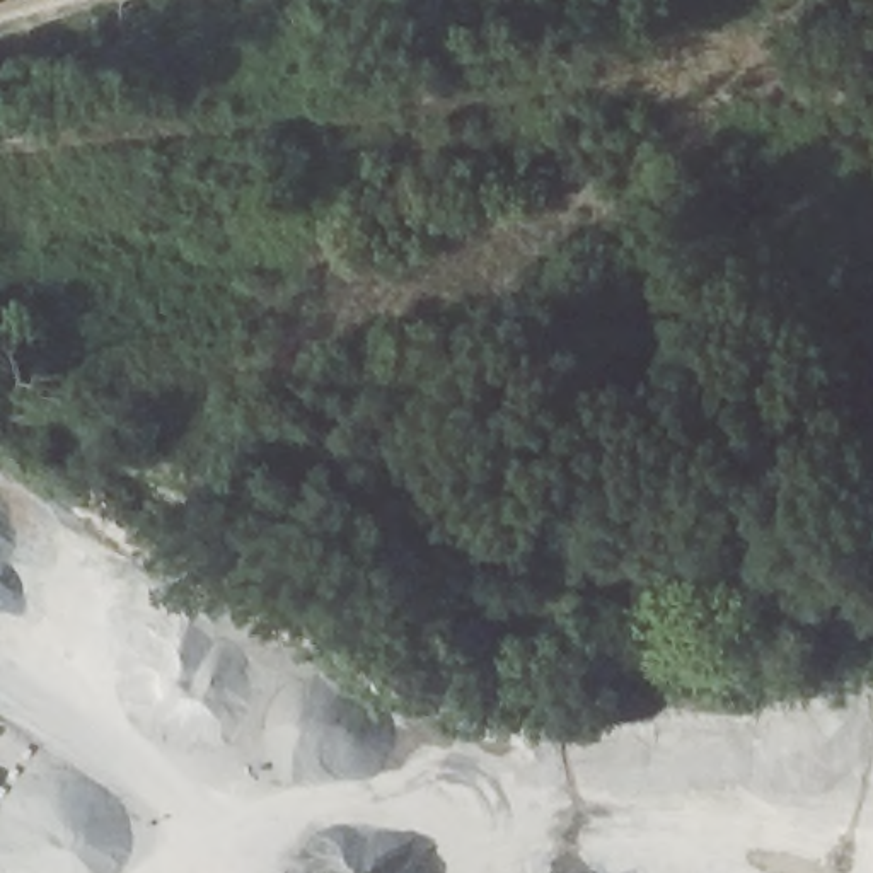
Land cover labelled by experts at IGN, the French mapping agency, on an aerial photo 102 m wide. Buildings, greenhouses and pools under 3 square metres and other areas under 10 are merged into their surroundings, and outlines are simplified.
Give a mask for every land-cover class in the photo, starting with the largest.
<instances>
[{"label":"deciduous trees","instance_id":"1","mask_svg":"<svg viewBox=\"0 0 873 873\"><path fill-rule=\"evenodd\" d=\"M764 72L778 82V89H784V95H795L798 102L815 109L835 106V123L853 136H866L873 147V0H829L822 14H808L801 24L764 27ZM413 392L396 423L389 426L382 447L385 464L379 467V481L372 488L304 484L300 501L286 522H280L269 532H259L249 542H242L232 532L228 546L239 559L235 569L222 576V590L208 593L205 583L184 576L164 590L167 610L228 614L239 627H249V634L263 641L286 631L293 662L321 665L331 679L327 689L361 706L368 720H392L396 713L423 716L426 726H433L447 743H474L484 733H518L529 737V743H593L600 740V733L621 723L651 720L662 709L760 713L778 702H801L815 696H822L832 709H842L846 696H856L863 685H873V252L853 242H839L825 225L815 222L778 228L771 222L767 205H747L737 215H726L716 198H702L696 191V198L682 208L679 218L662 215L648 222L645 269H624L610 263L604 266L600 283L593 290L556 297L549 307H525L515 317H498L494 324L477 327L467 341H457L450 358H437L423 372L419 385H409Z\"/></svg>","mask_w":873,"mask_h":873},{"label":"pervious surface","instance_id":"2","mask_svg":"<svg viewBox=\"0 0 873 873\"><path fill-rule=\"evenodd\" d=\"M102 494H89L82 505H55L34 494L20 477L0 471V873H873V685H863L856 696H846L842 709H832L822 696H815L801 702H778L760 713L662 709L651 720L621 723L600 733V740L593 743H529V737L518 733H484L474 743H447L433 726H426L423 716L396 713L392 720H368L361 706L327 689L331 679L321 665L293 662L286 631L263 641L249 634V627H239L228 614L167 610L164 590L184 576L143 573L150 546L133 542L123 525L102 518Z\"/></svg>","mask_w":873,"mask_h":873},{"label":"herbaceous vegetation","instance_id":"3","mask_svg":"<svg viewBox=\"0 0 873 873\"><path fill-rule=\"evenodd\" d=\"M413 0H130L126 17H106L95 27H68L65 20H48L34 31L0 38V65L14 55L65 65L82 58H123L140 75L136 99L126 106H113L109 119H95L89 130L72 133H51L38 126H31L27 133L10 130L3 136L0 153V310L14 304L31 314L34 341H20V348L34 361V375H55L58 382L65 379L72 389L78 385L99 399H109L116 413H126V419L136 426L153 423V454L201 481L211 460L232 457L235 437H242L246 430L239 406L225 402L222 396V368L263 372L273 358L280 331L310 348L317 341L344 338L351 324H361L365 317L402 314L406 324L447 327L454 334V314L471 317L474 307H481L488 297H508L518 283V273L535 256H549L559 242H566L573 225H597L614 215V201L604 198L593 184H583L563 211H546L532 218L522 211V201H515L512 211L501 215L494 225L488 222L484 228H471L457 239L437 235L423 252V263L402 273V283L379 276L355 283V266L334 249V235L351 215L348 205H331L317 198L300 215L269 211L266 153L283 119L341 126L344 147H355L358 140L392 143L402 133L419 143L423 160H433L440 157V147L450 143L447 116L460 106L484 102L491 106L501 143L512 147V153L535 157L556 147L559 123L569 113V106L590 102L604 116L607 130H621L627 123V113H641L658 130L662 153H706L713 143L706 119L723 102L740 99L750 106H781L784 95V89H778V82L764 72V27L801 24L808 14H822L829 0H638L645 7V24L651 31L658 61L600 51L590 55L587 48H573L569 58H522V51L515 48L484 51L464 65V82H443L433 78L430 61H409L406 55L385 48L389 20L409 10Z\"/></svg>","mask_w":873,"mask_h":873},{"label":"brushwood","instance_id":"4","mask_svg":"<svg viewBox=\"0 0 873 873\"><path fill-rule=\"evenodd\" d=\"M385 48L406 55L409 61H430L433 78L443 82H464V65L484 51L515 48L522 51V58H569L573 48H587L590 55L600 51L658 61L651 31L645 24V7L638 0H413L409 10L389 20ZM140 75L123 58H82L65 65L14 55L0 65V153L3 136L10 130L27 133L31 126H38L51 133H72L89 130L95 119H109L113 106H126L136 99ZM450 143L440 147V157L433 160H423L419 143L402 133L392 143L358 140L355 147H344L341 126L283 119L266 153L269 211L300 215L317 198L331 205H348L351 215L334 235V249L355 266V283L379 276L402 283V273L423 263V252L437 235L457 239L471 228H484L488 222L494 225L501 215L512 211L515 201H522V211L532 218L546 211H563L583 184H593L604 198L614 201V215L597 225H573L566 242H559L549 256H535L518 273V283L508 297H488L481 307H474L471 317L454 314V334L447 327L406 324L402 314L365 317L361 324H351L344 338L317 341L310 348L280 331L273 358L263 372L222 368V396L225 402L239 406L246 430L242 437H235L232 457L211 460L201 481L153 454V423L136 426L126 419V413H116L109 399H99L78 385L72 389L65 379L58 382L55 375H34V361L20 348V341H34L31 314L14 304L0 310V471L20 477L34 494L55 505H82L89 494H102V518L123 525L133 542L150 546L143 573L184 576L205 583L208 593L222 590V576L235 569L239 559L228 546L232 532L242 542H249L259 532H269L280 522H286L300 501L304 484L372 488L379 481V467L385 464L382 447L389 426L396 423L413 392L409 385H419L423 372L437 358H450L457 341H467L477 327L494 324L498 317H515L525 307H549L556 297L593 290L600 283L604 266L610 263L624 269H645L648 222L662 215L679 218L682 208L696 198V191L702 198H716L726 215H737L747 205H767L771 222L778 228L815 222L825 225L839 242H853L873 252V147L866 136H853L835 123V106L815 109L798 102L795 95H784L781 106H750L740 99L723 102L706 119L713 143L706 153H662L658 130L641 113H627V123L621 130H607L604 116L590 102L569 106V113L559 123L556 147L535 157L512 153V147L501 143L491 106L484 102L460 106L447 116Z\"/></svg>","mask_w":873,"mask_h":873},{"label":"agricultural land","instance_id":"5","mask_svg":"<svg viewBox=\"0 0 873 873\"><path fill-rule=\"evenodd\" d=\"M130 0H0V38L34 31L48 20H65L68 27H95L106 17H126Z\"/></svg>","mask_w":873,"mask_h":873}]
</instances>
